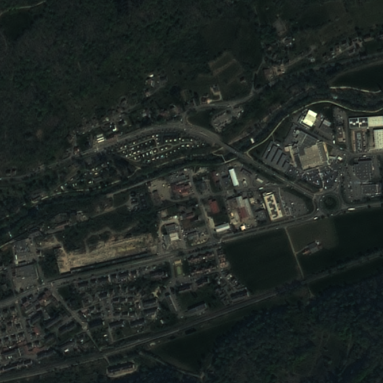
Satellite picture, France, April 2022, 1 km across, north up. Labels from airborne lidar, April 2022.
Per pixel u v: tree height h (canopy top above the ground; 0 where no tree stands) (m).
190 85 0
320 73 14
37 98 27
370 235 0
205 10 6
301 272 0
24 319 0
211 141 0
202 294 0
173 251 0
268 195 0
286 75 10
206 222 0
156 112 10
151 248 0
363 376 24
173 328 0
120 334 8
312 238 0
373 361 21
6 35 22
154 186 0
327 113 0
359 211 0
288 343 33
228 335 0
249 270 0
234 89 0
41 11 0
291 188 0
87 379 0
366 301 16
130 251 0
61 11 19
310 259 0
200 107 0
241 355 8
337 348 0
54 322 0
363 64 18
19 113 16
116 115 0
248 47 0
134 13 18
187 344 0
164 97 8
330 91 16
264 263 0
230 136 15
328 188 0
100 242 0
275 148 0
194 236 0
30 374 0
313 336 13
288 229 0
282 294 20
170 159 13
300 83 26
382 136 0
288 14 0
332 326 25
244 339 29
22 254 0
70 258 0
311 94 11
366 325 29
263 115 0
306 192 0
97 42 23
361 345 12
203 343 0
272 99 16
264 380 25
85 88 18
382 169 11
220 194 0
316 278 0
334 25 0
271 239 0
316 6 0
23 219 17
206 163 16
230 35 0
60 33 18
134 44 20
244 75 8
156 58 7
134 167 12
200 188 10
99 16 16
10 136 14
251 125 0
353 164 0
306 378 0
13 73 24
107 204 0
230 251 0
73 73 20
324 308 22
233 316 0
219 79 0
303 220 0
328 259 0
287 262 0
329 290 0
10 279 0
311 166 0
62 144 15
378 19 0
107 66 16
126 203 0
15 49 14
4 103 19
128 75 8
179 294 12
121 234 0
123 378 0
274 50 14
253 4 23
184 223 0
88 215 0
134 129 5
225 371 28
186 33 10
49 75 19
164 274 0
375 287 10
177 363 0
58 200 16
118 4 21
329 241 0
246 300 0
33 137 22
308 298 0
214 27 0
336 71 22
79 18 14
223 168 0
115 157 20
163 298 0
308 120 0
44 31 23
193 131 0
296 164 0
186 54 10
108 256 0
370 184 0
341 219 0
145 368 15
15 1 19
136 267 0
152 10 17
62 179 14
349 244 0
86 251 0
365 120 0
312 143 0
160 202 0
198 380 14
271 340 26
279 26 0
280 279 0
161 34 21
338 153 0
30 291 0
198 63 10
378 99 21
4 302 0
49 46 21
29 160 12
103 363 0
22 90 21
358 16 0
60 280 0
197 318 0
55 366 0
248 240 0
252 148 0
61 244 0
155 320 0
